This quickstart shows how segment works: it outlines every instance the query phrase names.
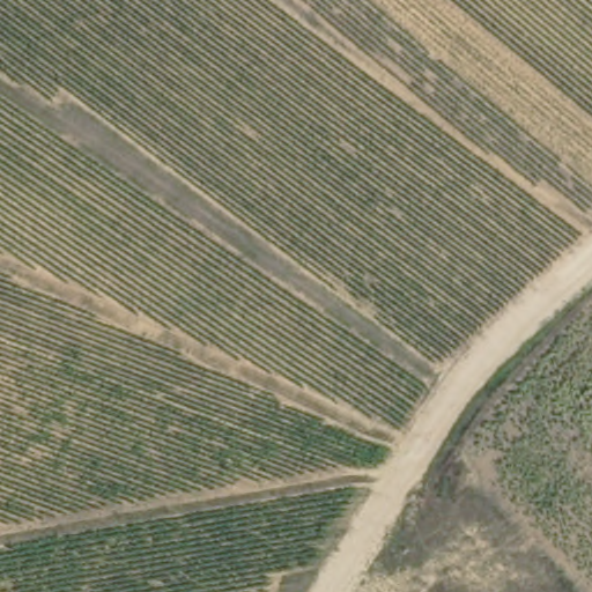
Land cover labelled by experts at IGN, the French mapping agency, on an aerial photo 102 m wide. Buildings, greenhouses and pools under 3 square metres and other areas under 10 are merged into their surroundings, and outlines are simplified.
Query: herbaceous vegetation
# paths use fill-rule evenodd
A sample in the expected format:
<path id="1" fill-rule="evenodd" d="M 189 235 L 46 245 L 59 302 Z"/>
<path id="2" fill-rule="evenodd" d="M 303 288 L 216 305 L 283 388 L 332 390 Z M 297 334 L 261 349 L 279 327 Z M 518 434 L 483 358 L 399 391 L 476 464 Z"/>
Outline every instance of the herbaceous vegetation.
<path id="1" fill-rule="evenodd" d="M 527 580 L 530 574 L 518 571 L 516 567 L 500 564 L 500 557 L 493 553 L 493 546 L 481 537 L 476 525 L 502 520 L 506 513 L 497 506 L 497 502 L 490 495 L 463 481 L 465 465 L 460 463 L 460 446 L 465 435 L 474 442 L 474 446 L 481 444 L 479 428 L 486 428 L 488 421 L 481 412 L 486 409 L 488 400 L 497 393 L 497 389 L 506 384 L 495 372 L 465 405 L 458 421 L 444 437 L 439 451 L 435 453 L 432 463 L 428 465 L 421 483 L 405 495 L 405 504 L 398 520 L 386 534 L 379 555 L 361 574 L 361 580 L 356 583 L 354 592 L 502 592 L 509 580 Z"/>
<path id="2" fill-rule="evenodd" d="M 532 592 L 580 592 L 564 574 L 553 583 L 537 585 Z"/>

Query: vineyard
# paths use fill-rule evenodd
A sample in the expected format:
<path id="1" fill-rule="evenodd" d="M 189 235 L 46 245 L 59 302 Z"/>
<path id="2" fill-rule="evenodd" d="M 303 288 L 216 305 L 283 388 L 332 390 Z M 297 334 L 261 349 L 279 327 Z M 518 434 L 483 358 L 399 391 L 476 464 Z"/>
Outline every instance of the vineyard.
<path id="1" fill-rule="evenodd" d="M 555 259 L 560 259 L 560 254 L 567 247 L 571 247 L 578 238 L 592 238 L 592 0 L 0 0 L 0 592 L 310 592 L 321 571 L 321 564 L 328 555 L 338 550 L 340 539 L 349 532 L 352 513 L 356 513 L 358 506 L 370 497 L 375 483 L 370 479 L 375 472 L 372 467 L 382 465 L 389 458 L 389 446 L 398 428 L 407 426 L 416 405 L 423 402 L 437 389 L 439 382 L 456 372 L 460 356 L 456 354 L 456 349 L 467 345 L 486 326 L 488 319 L 504 310 L 506 303 L 511 303 L 527 287 L 527 282 L 541 275 Z"/>

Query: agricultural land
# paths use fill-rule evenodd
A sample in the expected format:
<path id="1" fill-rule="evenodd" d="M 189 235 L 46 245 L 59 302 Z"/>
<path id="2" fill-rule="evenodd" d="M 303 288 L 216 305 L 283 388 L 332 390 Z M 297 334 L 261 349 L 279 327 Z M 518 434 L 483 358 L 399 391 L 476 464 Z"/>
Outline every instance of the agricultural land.
<path id="1" fill-rule="evenodd" d="M 506 384 L 497 389 L 497 393 L 488 400 L 486 409 L 481 412 L 488 421 L 486 428 L 479 428 L 481 444 L 474 446 L 474 442 L 465 435 L 460 446 L 460 463 L 465 465 L 463 481 L 490 495 L 497 502 L 497 506 L 506 513 L 502 520 L 476 525 L 481 537 L 493 546 L 493 553 L 500 557 L 500 564 L 516 567 L 518 571 L 530 574 L 527 580 L 509 580 L 502 592 L 532 592 L 537 585 L 553 583 L 564 574 L 580 592 L 592 592 L 592 284 L 587 284 L 562 310 L 557 310 L 548 321 L 543 321 L 541 328 L 530 340 L 525 340 L 518 347 L 518 352 L 509 356 L 495 372 Z"/>

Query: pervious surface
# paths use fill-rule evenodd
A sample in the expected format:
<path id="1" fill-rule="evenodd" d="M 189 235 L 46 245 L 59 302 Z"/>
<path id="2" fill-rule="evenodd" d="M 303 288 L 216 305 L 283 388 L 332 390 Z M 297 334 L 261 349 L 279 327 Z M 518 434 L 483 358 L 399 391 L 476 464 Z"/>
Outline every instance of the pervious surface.
<path id="1" fill-rule="evenodd" d="M 578 238 L 571 247 L 567 247 L 560 254 L 560 259 L 555 259 L 541 275 L 527 282 L 527 287 L 511 303 L 506 303 L 504 310 L 488 319 L 486 326 L 467 345 L 456 349 L 456 354 L 460 356 L 456 372 L 439 382 L 437 389 L 423 402 L 416 405 L 407 426 L 398 428 L 389 446 L 389 458 L 382 465 L 372 467 L 375 472 L 370 479 L 375 483 L 370 497 L 358 506 L 356 513 L 352 513 L 349 532 L 340 539 L 338 550 L 328 555 L 321 564 L 321 571 L 310 592 L 354 592 L 356 583 L 361 580 L 361 574 L 379 555 L 386 534 L 398 520 L 405 504 L 405 495 L 421 483 L 428 465 L 432 463 L 435 453 L 439 451 L 444 437 L 458 421 L 465 405 L 495 372 L 509 356 L 518 352 L 518 347 L 525 340 L 530 340 L 541 328 L 543 321 L 548 321 L 557 310 L 562 310 L 587 284 L 592 284 L 592 238 Z"/>

